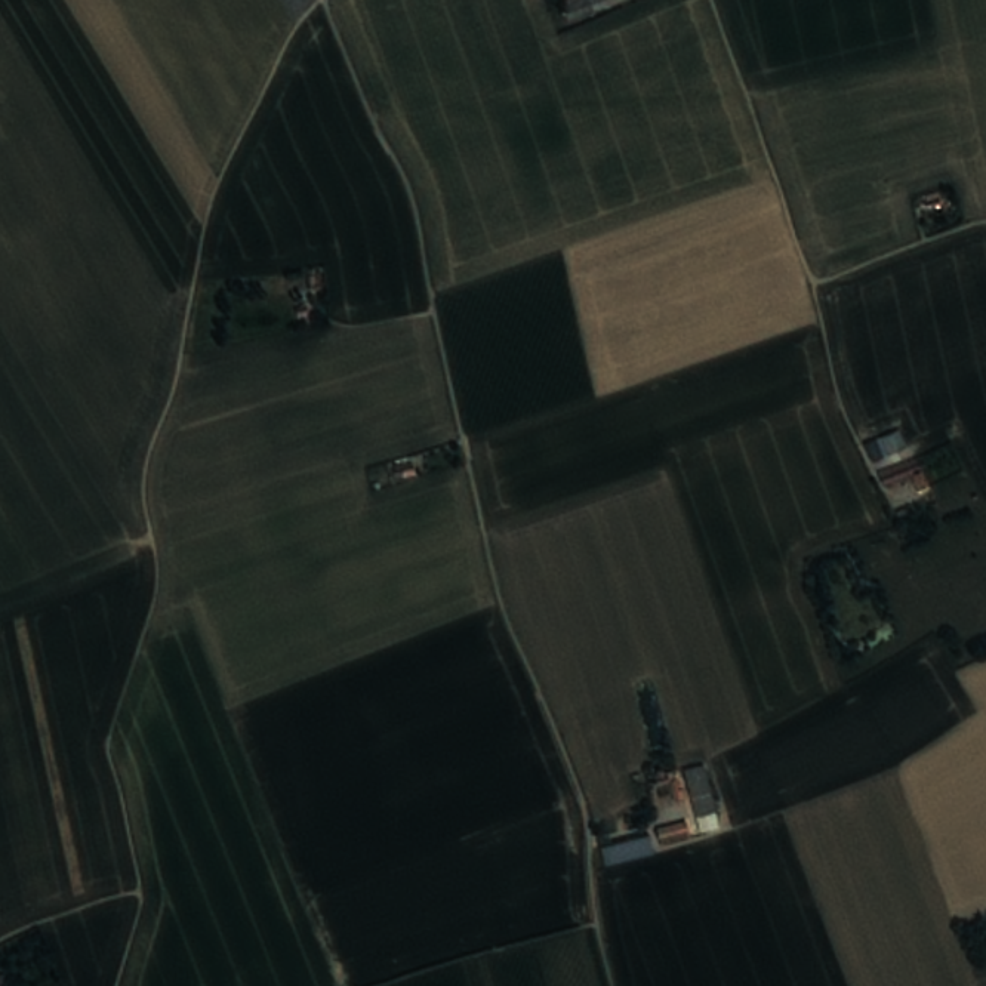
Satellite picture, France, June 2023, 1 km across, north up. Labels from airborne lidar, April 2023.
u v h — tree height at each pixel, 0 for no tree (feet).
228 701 0
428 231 0
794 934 0
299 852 0
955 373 0
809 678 0
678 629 0
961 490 0
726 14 0
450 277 0
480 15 0
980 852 0
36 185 0
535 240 0
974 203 0
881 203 0
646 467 0
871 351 0
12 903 0
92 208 0
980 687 0
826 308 0
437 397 0
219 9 0
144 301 0
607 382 0
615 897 0
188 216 0
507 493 0
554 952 0
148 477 0
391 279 0
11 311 0
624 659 0
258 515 0
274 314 0
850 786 0
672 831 0
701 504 0
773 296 0
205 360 0
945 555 0
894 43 0
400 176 0
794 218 0
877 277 0
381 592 0
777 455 0
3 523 0
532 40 0
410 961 0
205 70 0
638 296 0
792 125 0
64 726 0
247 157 0
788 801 0
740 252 0
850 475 0
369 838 0
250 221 0
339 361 0
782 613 0
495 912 0
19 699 0
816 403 0
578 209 0
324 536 0
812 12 0
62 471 0
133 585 0
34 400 0
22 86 0
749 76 0
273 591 0
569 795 0
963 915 0
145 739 0
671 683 0
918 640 0
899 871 0
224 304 73
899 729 0
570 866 0
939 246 0
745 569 0
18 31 0
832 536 0
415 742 0
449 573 0
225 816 0
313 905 0
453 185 0
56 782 0
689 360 0
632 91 0
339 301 0
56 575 0
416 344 0
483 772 0
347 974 0
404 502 0
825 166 0
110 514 0
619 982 0
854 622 0
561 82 0
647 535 0
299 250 0
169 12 0
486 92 0
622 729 0
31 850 0
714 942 0
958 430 0
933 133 0
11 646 0
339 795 0
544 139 0
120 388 0
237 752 0
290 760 0
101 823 0
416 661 0
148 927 0
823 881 0
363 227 0
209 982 0
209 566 0
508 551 0
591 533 0
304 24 0
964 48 0
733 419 0
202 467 0
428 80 0
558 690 0
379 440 0
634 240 0
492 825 0
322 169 0
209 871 0
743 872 0
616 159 0
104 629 0
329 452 0
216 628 0
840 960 0
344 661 0
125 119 0
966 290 0
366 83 0
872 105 0
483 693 0
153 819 0
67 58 0
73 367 0
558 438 0
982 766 0
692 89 0
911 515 34
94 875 0
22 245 0
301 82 0
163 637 0
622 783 0
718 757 0
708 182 0
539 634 0
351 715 0
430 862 0
